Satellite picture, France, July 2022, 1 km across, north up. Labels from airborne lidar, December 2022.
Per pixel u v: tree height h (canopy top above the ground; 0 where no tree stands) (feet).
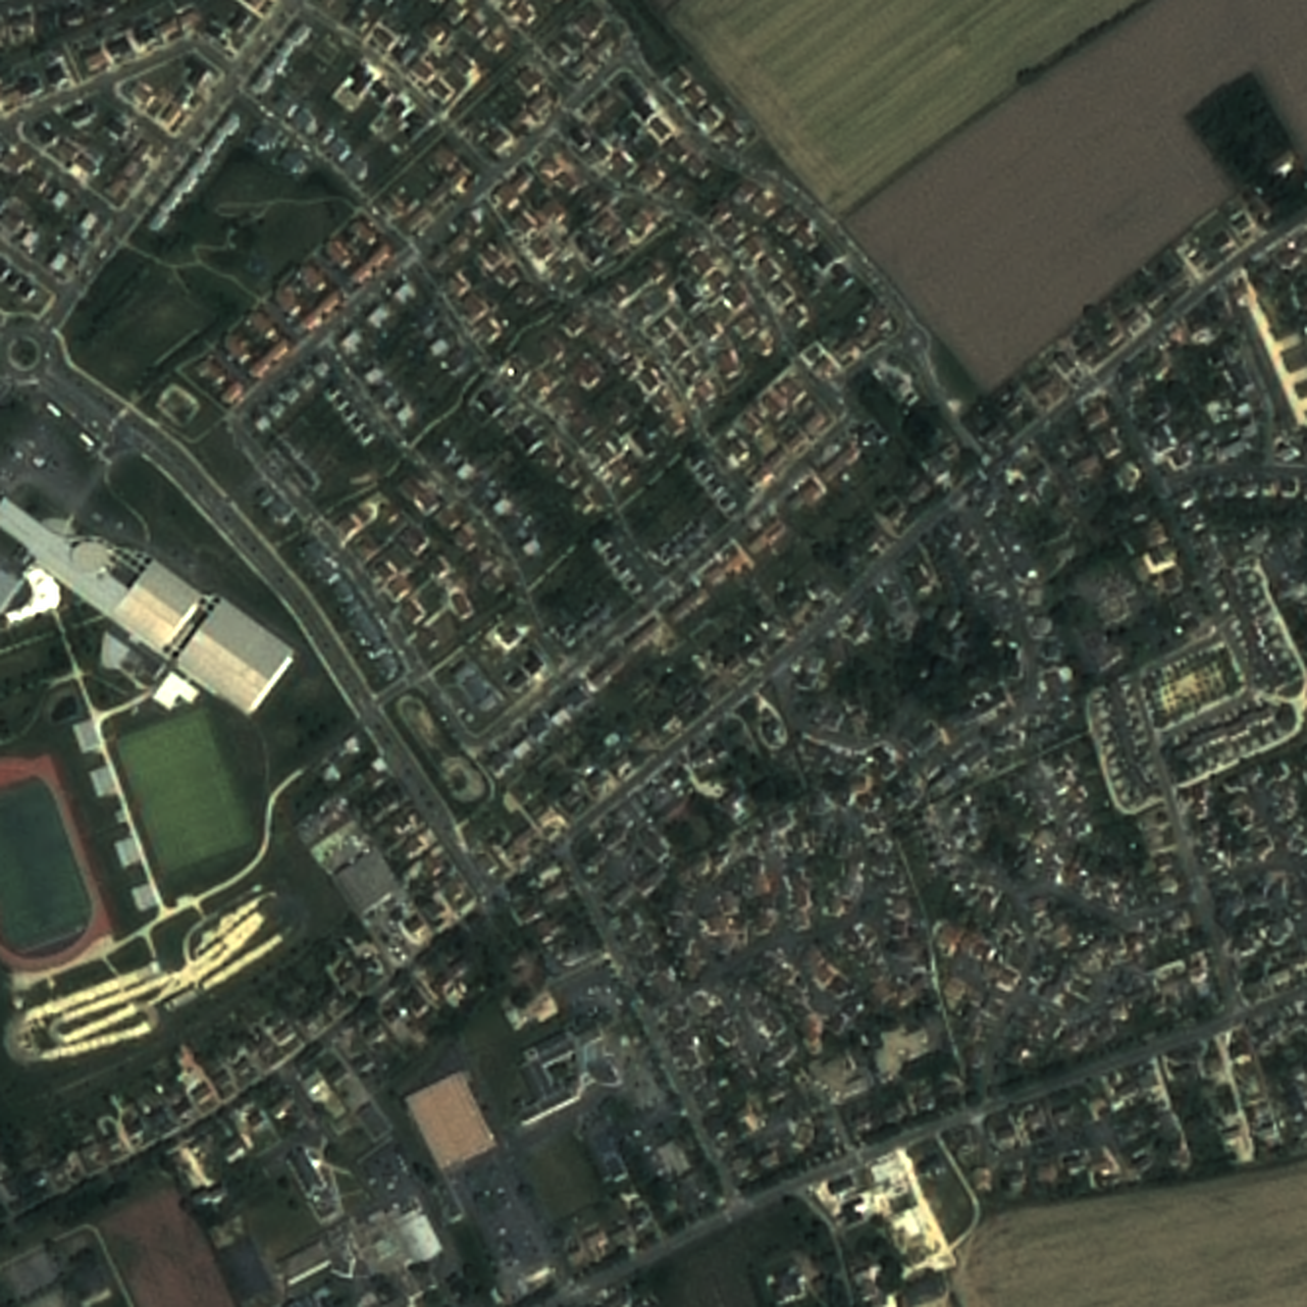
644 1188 40
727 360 0
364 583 0
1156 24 0
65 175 0
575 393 0
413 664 0
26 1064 0
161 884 0
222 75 0
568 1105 0
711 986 0
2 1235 41
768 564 0
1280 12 0
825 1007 0
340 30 0
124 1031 0
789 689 0
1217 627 0
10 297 0
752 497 0
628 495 0
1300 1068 0
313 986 24
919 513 33
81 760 0
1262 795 0
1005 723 0
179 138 0
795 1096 0
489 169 0
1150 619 29
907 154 0
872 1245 18
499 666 0
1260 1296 0
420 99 0
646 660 0
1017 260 0
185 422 0
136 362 0
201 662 0
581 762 21
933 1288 0
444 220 0
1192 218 0
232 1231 0
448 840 0
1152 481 21
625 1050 0
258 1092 40
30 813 0
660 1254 0
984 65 0
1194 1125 35
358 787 0
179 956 0
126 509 0
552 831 0
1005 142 0
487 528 0
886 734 0
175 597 0
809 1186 0
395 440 0
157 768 0
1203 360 18
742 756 38
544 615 0
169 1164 44
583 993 0
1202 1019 30
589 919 21
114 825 0
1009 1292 0
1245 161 28
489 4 0
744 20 0
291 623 0
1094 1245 0
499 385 0
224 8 0
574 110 0
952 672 57
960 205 0
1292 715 27
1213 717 0
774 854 0
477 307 0
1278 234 0
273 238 0
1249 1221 0
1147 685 19
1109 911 0
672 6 0
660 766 0
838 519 0
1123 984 26
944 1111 25
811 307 0
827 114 0
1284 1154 31
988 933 25
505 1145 0
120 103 0
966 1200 0
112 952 0
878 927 0
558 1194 0
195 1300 0
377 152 0
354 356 0
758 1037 0
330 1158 30
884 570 0
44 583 0
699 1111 0
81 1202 38
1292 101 0
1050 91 0
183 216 27
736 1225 0
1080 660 29
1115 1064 0
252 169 0
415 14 0
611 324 0
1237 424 19
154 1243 0
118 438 0
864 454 18
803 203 0
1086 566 27
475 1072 0
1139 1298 0
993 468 0
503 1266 0
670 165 0
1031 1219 0
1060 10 0
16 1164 37
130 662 0
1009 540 0
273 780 0
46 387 0
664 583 0
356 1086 0
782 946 0
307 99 0
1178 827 0
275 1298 0
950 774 0
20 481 0
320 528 0
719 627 0
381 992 0
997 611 0
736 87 0
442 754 0
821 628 0
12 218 0
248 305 0
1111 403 27
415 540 0
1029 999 0
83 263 0
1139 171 0
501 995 0
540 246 0
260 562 0
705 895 0
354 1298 0
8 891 0
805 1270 0
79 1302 0
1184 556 32
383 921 0
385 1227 0
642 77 0
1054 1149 21
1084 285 0
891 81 0
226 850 0
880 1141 31
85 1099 0
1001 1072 25
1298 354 0
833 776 19
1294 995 0
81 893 0
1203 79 0
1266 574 0
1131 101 0
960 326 0
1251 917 24
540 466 0
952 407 0
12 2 0
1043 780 0
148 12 0
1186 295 0
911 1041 0
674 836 34
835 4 0
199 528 0
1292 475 0
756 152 0
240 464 0
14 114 0
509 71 0
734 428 0
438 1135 0
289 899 0
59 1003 0
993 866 0
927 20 0
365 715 0
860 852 0
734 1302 0
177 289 0
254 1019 0
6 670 0
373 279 0
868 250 0
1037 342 0
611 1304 0
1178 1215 0
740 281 0
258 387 0
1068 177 0
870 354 0
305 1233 0
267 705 0
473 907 0
